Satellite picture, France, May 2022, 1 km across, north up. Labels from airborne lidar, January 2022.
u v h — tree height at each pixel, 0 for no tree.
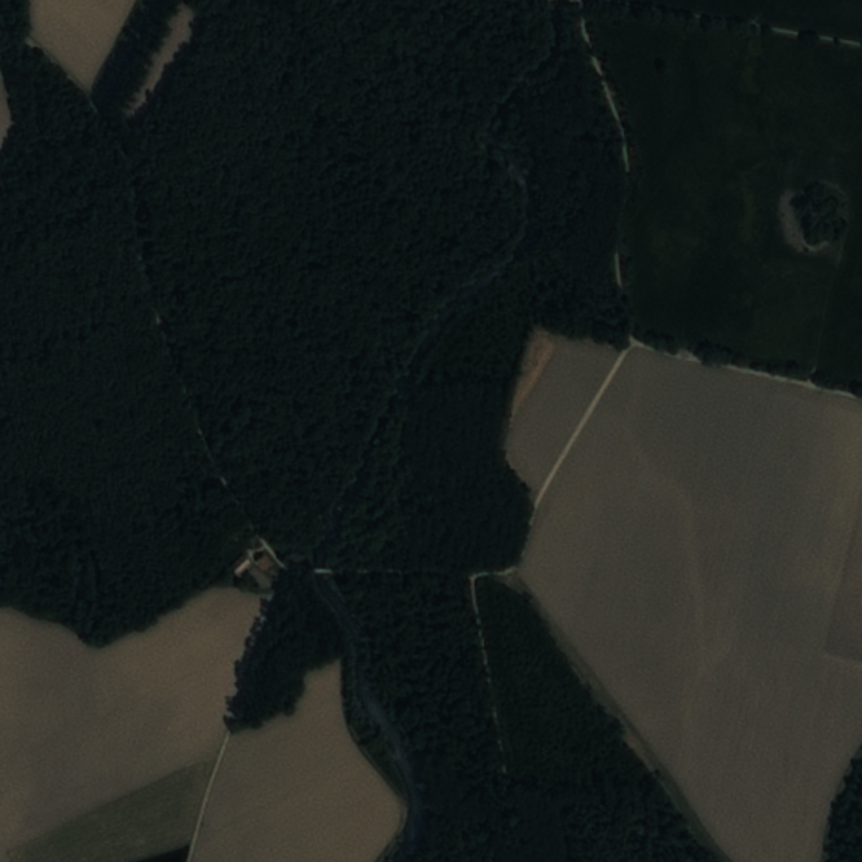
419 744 12
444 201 31
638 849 25
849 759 0
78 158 25
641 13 22
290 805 0
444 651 20
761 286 0
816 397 0
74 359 25
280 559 15
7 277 28
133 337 29
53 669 0
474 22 25
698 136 0
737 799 0
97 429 29
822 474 0
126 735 0
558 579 0
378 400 24
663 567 0
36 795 0
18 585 27
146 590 27
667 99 0
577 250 37
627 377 0
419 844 13
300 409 26
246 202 30
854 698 0
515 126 27
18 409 31
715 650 0
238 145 26
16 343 27
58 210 26
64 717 0
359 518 13
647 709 0
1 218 24
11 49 16
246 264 19
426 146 26
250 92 28
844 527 0
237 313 28
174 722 0
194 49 15
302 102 28
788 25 0
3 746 0
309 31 27
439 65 26
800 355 0
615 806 27
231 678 0
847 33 0
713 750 0
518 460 0
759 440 0
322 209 25
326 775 0
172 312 22
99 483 31
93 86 0
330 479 23
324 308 27
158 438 28
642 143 0
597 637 0
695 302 0
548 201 23
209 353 27
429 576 23
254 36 28
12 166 16
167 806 0
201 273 27
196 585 19
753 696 0
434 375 16
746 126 0
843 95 0
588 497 0
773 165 0
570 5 20
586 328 20
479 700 19
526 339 10
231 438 27
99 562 27
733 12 0
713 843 0
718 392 0
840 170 0
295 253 29
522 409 0
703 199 0
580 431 0
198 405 18
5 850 0
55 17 0
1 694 0
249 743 0
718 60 0
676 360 0
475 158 18
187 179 29
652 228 0
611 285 22
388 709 14
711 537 0
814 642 0
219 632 0
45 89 7
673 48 0
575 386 0
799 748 0
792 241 0
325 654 29
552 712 0
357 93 24
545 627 18
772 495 0
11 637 0
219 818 0
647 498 0
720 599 0
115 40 0
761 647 0
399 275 25
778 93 0
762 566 0
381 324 27
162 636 0
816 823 0
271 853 0
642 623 0
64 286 29
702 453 0
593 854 25
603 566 0
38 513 30
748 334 0
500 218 27
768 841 0
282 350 29
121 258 21
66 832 0
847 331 0
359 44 30
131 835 0
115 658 0
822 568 0
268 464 27
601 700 0
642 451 0
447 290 26
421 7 24
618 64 0
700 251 0
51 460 28
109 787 0
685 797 0
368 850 0
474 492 8
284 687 25
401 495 16
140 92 0
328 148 29
